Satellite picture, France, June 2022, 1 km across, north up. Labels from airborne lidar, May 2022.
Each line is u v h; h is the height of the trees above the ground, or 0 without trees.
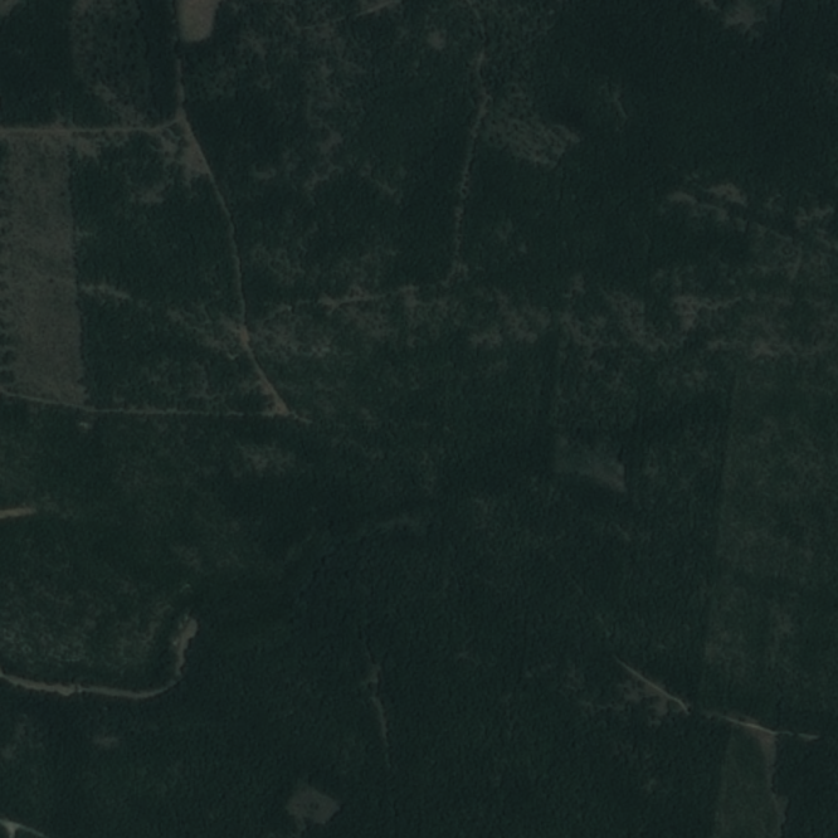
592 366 7
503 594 6
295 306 8
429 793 11
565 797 10
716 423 9
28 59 7
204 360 8
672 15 13
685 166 10
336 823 14
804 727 11
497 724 10
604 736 10
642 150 9
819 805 8
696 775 8
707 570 6
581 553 12
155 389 5
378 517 10
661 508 6
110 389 10
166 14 11
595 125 8
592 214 11
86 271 10
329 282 7
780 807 0
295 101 9
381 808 13
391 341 5
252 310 7
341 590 7
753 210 6
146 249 8
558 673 8
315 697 7
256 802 6
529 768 8
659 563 6
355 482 8
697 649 6
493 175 13
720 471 6
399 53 7
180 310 6
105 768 6
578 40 10
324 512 9
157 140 7
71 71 10
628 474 9
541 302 7
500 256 7
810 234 6
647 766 8
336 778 8
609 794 10
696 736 10
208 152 9
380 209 6
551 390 11
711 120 10
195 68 11
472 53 8
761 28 13
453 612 8
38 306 0
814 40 14
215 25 5
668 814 8
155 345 11
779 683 7
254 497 10
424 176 9
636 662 7
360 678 11
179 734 7
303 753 11
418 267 9
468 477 12
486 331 8
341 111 9
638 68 11
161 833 8
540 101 6
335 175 7
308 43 7
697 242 7
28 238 0
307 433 7
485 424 9
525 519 7
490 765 10
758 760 0
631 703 8
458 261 7
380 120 6
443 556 8
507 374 7
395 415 8
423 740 11
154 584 6
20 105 9
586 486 12
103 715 9
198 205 11
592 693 9
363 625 10
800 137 13
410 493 8
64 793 10
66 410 7
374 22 9
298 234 6
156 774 7
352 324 6
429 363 6
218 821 10
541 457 13
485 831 12
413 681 10
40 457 6
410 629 8
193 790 7
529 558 8
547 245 9
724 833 0
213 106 12
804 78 10
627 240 12
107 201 9
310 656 13
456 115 11
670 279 5
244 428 13
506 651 12
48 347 0
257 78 7
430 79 10
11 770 8
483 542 6
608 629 7
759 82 14
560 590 10
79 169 7
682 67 12
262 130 13
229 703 9
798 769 11
